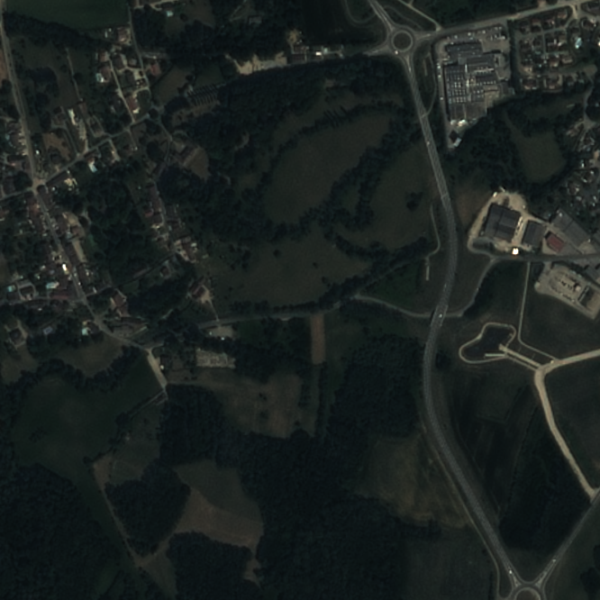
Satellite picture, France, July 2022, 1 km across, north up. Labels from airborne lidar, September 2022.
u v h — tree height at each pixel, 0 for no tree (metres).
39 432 6
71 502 23
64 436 0
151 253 6
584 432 0
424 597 0
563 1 0
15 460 16
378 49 0
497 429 0
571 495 24
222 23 8
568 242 0
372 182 17
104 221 24
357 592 22
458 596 0
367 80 25
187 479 0
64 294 0
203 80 0
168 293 23
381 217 0
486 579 0
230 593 24
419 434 0
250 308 17
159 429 6
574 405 0
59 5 0
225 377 0
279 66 0
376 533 22
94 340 16
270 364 14
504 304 0
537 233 0
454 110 0
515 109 15
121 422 17
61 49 7
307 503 22
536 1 9
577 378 0
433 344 0
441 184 0
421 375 7
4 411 24
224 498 0
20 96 0
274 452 25
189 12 0
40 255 7
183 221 6
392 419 21
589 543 0
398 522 17
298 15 19
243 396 0
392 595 25
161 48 10
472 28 0
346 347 0
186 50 16
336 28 0
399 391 18
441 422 0
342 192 21
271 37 15
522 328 0
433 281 0
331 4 0
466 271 0
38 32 17
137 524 16
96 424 0
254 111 32
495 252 14
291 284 0
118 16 0
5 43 0
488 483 0
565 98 7
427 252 16
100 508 0
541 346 0
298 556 24
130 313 11
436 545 0
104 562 15
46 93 6
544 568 0
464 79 0
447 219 0
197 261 0
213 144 33
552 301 0
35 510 22
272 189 0
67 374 18
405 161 0
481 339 0
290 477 29
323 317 0
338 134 0
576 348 0
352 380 15
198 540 21
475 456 0
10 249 10
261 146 25
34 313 12
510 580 0
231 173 21
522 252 10
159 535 20
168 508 20
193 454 18
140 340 0
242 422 0
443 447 0
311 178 0
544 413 0
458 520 0
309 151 0
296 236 15
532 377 0
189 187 23
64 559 21
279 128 13
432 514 0
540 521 22
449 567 0
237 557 19
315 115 0
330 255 0
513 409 0
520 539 11
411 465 0
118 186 19
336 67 24
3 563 30
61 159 6
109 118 8
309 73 25
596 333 0
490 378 0
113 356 0
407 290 0
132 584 9
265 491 19
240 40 13
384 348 7
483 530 0
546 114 0
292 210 0
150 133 11
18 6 0
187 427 18
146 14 11
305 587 24
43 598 17
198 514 0
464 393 0
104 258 14
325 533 25
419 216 0
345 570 11
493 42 0
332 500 12
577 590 0
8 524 14
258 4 9
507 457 0
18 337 0
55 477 20
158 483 21
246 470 11
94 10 0
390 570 15
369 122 0
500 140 11
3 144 6
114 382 18
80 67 0
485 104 0
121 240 19
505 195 0
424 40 0
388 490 0
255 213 22
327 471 21
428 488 0
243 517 0
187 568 22
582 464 0
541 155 0
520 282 0
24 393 18
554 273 0
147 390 0
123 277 8
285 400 0
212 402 21
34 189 0
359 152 0
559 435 0
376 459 0
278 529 7
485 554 9
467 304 0
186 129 15
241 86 30
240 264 9
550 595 0
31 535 25
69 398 0
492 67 0
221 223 22
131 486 20
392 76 26
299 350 9
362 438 18
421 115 0
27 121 0
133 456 0
